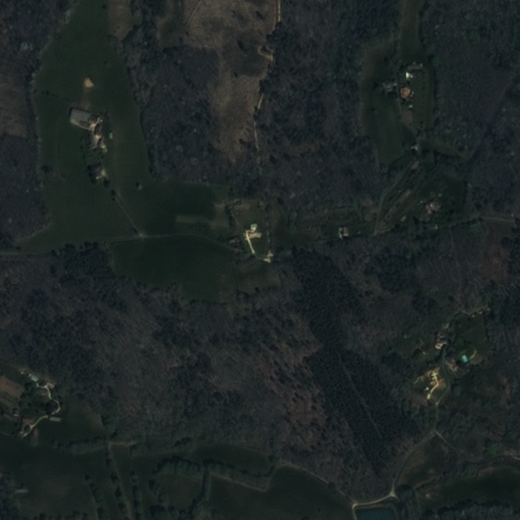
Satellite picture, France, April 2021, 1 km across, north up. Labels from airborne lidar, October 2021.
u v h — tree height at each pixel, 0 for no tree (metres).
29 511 0
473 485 0
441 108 17
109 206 0
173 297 14
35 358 28
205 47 0
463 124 24
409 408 9
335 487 19
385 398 22
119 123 0
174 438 23
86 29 0
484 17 18
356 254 11
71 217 0
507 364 14
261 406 19
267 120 17
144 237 0
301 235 0
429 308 8
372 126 0
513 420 8
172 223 0
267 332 20
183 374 13
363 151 18
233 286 0
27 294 13
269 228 10
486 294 21
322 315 24
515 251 22
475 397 8
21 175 21
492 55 15
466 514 25
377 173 17
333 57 25
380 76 0
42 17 21
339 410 18
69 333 28
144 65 19
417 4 0
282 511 0
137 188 7
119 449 0
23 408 13
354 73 18
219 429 25
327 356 18
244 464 0
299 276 22
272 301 15
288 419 12
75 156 0
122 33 0
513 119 21
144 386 20
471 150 20
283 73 20
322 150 16
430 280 11
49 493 0
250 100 0
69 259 14
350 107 16
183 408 7
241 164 12
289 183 18
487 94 19
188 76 16
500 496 0
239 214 0
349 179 27
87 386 26
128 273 0
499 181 19
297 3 19
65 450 7
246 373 16
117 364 17
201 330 17
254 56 6
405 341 8
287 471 0
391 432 24
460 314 6
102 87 0
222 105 0
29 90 19
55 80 0
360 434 18
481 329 0
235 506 0
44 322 26
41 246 0
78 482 0
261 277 0
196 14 0
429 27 18
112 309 27
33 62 9
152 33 17
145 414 20
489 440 11
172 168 20
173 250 0
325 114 30
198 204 0
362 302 8
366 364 24
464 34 26
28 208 20
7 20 10
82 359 25
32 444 20
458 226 10
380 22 23
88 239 0
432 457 0
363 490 13
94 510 0
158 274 0
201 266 0
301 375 12
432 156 15
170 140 19
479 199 10
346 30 21
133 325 20
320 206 14
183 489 0
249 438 15
